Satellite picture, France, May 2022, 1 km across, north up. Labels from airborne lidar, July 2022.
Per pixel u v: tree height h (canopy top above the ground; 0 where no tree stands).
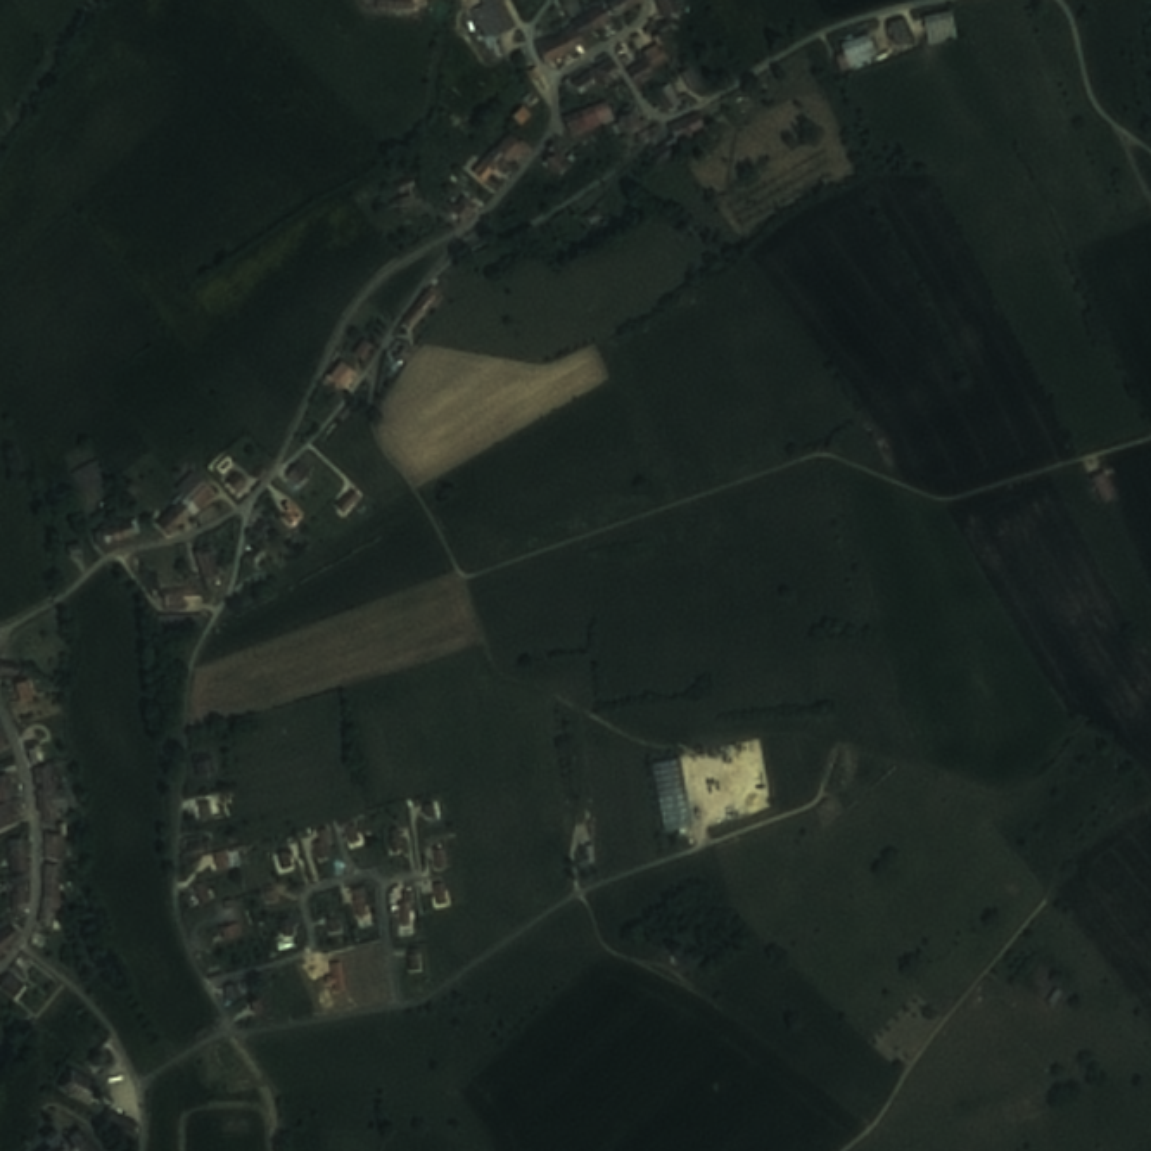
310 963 0
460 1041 0
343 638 0
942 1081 0
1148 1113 0
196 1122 0
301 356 0
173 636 22
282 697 0
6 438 0
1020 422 0
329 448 0
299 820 0
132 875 0
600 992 0
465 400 0
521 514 0
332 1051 0
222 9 0
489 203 0
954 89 0
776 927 0
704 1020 0
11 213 0
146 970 0
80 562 0
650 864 0
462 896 0
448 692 0
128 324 0
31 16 0
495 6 0
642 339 0
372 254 0
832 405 0
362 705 0
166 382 0
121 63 0
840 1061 0
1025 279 0
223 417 0
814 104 0
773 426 0
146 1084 0
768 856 0
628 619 0
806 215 0
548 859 0
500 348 0
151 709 19
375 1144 0
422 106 0
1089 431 0
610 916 0
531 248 8
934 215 0
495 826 0
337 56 0
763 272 0
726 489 0
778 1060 0
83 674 0
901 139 0
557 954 0
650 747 0
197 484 0
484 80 0
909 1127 0
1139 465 0
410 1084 0
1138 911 0
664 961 0
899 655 0
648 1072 0
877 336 0
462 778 0
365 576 0
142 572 6
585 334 0
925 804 0
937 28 0
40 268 0
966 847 0
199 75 0
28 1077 0
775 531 0
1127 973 0
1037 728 0
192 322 0
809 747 0
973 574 0
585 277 0
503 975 0
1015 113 0
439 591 0
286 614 0
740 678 0
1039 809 0
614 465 0
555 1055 0
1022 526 0
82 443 9
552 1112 0
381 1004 0
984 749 0
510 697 0
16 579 0
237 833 10
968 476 0
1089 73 0
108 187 0
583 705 0
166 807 0
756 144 0
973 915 0
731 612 0
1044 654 0
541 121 0
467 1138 0
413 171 11
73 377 0
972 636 0
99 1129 17
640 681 0
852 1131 0
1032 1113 0
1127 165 0
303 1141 0
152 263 0
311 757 0
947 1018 0
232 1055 0
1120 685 0
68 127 0
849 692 0
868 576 0
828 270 0
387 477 0
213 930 0
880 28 0
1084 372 0
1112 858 0
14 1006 6
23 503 0
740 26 0
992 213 0
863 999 0
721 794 0
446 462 0
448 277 0
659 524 0
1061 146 0
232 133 0
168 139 0
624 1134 0
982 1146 0
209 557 0
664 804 0
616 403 0
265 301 0
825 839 0
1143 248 0
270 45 0
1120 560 0
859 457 0
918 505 0
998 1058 0
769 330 0
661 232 0
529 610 0
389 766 0
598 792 0
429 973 0
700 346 0
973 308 0
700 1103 0
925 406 0
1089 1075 10
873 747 0
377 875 0
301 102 0
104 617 0
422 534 0
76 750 0
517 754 0
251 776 0
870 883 0
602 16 0
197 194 0
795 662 0
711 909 15
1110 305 0
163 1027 0
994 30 0
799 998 0
